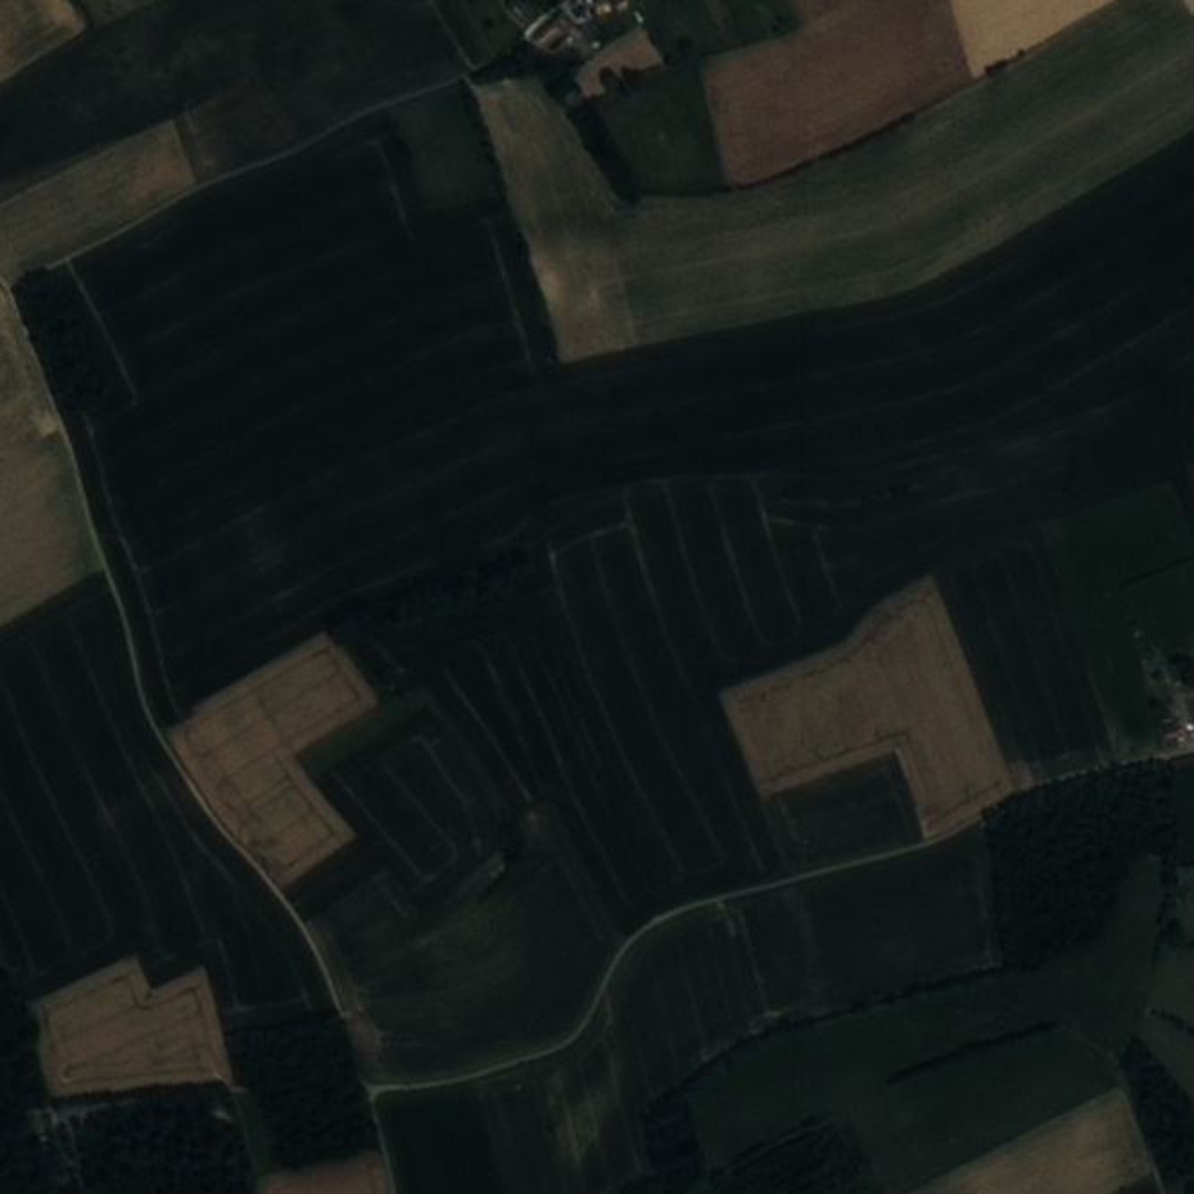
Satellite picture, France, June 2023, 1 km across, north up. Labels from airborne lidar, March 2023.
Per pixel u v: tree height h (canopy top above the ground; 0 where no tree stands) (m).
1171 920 6
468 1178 0
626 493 0
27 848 0
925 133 0
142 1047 0
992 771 0
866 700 0
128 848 0
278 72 0
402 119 0
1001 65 7
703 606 0
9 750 0
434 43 0
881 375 0
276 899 0
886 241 0
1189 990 0
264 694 0
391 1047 0
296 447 0
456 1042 0
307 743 0
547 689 0
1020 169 0
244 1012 0
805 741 0
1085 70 0
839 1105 0
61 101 0
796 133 0
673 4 0
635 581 0
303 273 0
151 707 0
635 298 0
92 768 0
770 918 0
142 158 0
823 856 0
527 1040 0
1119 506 0
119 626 0
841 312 0
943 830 0
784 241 0
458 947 0
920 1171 0
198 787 0
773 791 0
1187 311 0
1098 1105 0
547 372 0
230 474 0
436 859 0
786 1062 0
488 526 0
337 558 0
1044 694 0
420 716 0
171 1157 19
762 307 0
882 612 0
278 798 0
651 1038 0
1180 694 0
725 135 0
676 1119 21
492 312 0
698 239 0
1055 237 0
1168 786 10
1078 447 0
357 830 0
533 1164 0
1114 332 0
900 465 0
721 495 0
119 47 0
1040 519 0
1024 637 0
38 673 0
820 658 0
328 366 0
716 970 0
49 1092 7
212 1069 0
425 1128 0
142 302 0
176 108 0
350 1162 0
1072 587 0
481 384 0
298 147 0
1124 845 13
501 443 0
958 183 0
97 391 14
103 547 0
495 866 0
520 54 10
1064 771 0
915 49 0
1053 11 0
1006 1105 0
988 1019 0
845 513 0
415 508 0
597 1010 0
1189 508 0
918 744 0
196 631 0
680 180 0
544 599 0
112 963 0
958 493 0
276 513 0
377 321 0
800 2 0
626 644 0
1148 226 0
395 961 0
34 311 12
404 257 0
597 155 17
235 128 0
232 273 0
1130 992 0
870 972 0
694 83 0
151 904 0
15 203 0
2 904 0
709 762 0
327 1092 15
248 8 0
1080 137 0
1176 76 0
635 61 0
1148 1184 0
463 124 0
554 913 0
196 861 0
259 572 0
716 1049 0
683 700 0
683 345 0
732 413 0
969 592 0
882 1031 0
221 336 0
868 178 0
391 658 0
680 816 0
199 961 0
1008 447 0
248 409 0
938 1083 0
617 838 0
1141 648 0
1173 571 0
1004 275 0
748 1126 0
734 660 0
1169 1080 13
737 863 0
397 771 0
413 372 0
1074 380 0
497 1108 0
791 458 0
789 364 0
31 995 0
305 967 0
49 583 0
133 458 0
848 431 0
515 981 0
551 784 0
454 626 0
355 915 0
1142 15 0
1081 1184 0
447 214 0
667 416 0
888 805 0
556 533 0
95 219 0
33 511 0
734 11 0
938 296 0
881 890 0
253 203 0
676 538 0
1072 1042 0
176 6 0
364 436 0
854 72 0
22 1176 20
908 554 0
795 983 0
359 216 0
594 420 0
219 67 0
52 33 0
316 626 0
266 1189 0
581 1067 0
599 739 0
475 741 0
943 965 0
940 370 0
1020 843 14
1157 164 0
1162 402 0
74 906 0
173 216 0
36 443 0
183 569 0
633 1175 0
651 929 0
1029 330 0
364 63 0
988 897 0
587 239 0
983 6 0
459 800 0
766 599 0
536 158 0
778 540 0
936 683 0
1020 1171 0
